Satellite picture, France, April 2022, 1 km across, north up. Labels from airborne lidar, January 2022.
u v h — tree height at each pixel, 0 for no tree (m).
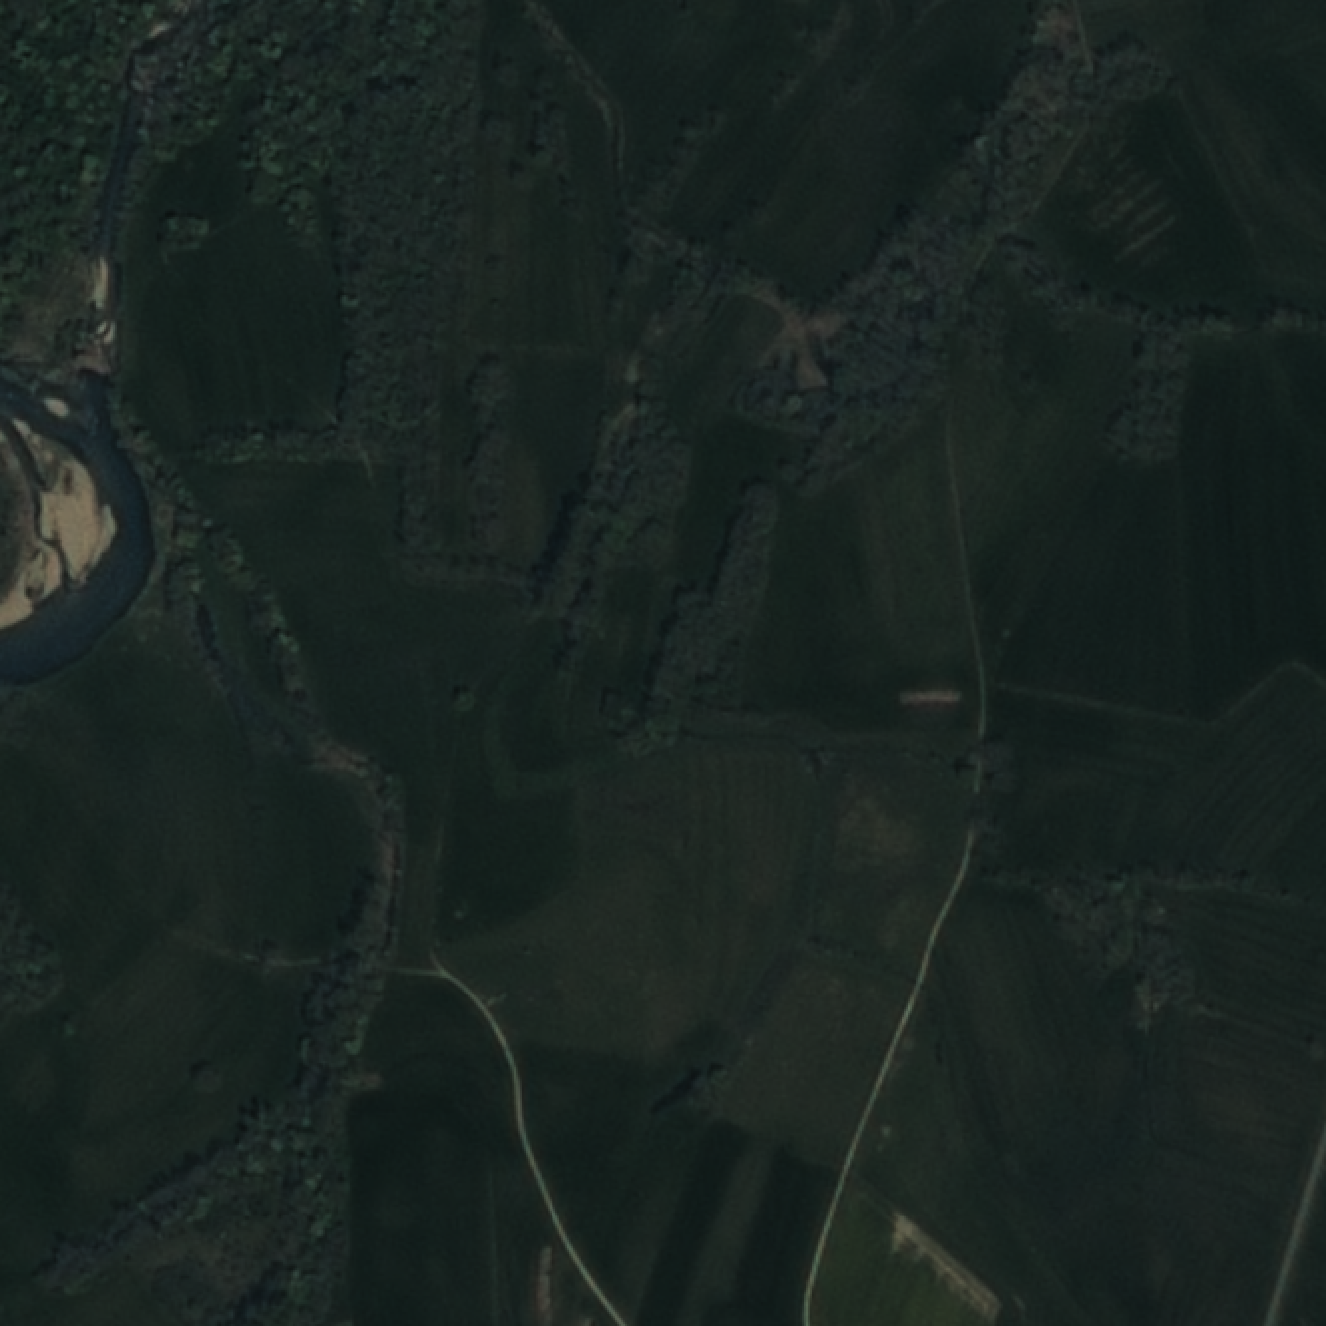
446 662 0
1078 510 0
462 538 0
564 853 0
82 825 0
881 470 0
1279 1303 0
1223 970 0
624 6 0
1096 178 0
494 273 10
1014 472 0
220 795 0
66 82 16
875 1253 0
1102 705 0
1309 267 0
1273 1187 0
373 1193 0
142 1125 0
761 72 0
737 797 0
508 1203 0
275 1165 17
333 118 20
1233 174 0
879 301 13
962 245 22
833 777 0
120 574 0
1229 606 0
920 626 0
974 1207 0
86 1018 0
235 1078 0
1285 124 0
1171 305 0
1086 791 0
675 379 0
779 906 0
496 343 0
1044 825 0
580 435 0
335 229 0
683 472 18
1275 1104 0
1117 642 0
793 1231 0
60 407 0
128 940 0
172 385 0
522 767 0
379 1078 0
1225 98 0
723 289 12
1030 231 0
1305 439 0
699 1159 0
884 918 0
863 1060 0
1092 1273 0
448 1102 0
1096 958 0
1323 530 0
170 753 0
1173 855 0
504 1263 0
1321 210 0
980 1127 0
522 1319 0
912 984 0
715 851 0
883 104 0
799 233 0
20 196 16
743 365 0
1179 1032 0
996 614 0
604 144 0
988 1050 0
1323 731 0
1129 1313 0
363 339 20
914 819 0
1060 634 0
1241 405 0
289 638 12
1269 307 0
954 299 20
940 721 0
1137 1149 0
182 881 0
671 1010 0
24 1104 0
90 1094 0
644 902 0
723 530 0
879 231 0
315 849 0
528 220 0
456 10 19
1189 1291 0
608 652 0
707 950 0
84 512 0
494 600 0
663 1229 0
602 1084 0
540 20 0
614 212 0
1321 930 0
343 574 0
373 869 0
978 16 0
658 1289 0
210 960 0
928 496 0
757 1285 0
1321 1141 0
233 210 0
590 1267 0
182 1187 17
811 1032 0
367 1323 0
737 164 0
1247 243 0
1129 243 0
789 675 0
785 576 0
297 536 0
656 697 17
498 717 0
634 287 19
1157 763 0
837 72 0
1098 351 0
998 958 0
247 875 0
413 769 0
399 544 0
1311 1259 0
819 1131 0
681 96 0
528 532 0
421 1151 0
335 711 0
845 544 0
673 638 16
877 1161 0
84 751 0
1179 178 0
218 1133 0
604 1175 0
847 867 0
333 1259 21
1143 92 16
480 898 0
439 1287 0
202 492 0
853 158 0
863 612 0
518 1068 0
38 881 0
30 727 8
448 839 0
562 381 0
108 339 0
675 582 0
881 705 0
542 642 0
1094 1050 0
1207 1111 0
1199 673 0
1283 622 0
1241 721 0
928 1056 0
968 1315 0
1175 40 0
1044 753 0
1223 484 0
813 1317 0
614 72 0
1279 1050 0
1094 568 0
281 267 0
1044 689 0
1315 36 0
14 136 15
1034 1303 0
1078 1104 0
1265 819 0
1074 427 0
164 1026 0
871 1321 0
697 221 0
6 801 0
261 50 10
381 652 0
